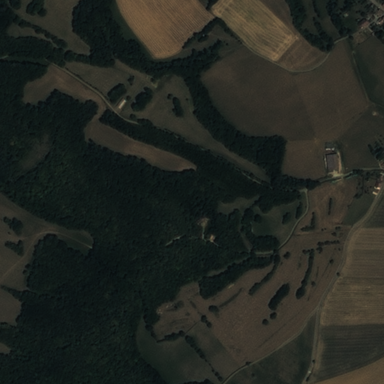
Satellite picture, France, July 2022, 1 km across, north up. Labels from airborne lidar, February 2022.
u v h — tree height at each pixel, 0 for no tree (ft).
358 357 0
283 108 0
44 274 59
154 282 54
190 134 0
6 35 30
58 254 62
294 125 0
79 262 63
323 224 0
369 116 0
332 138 0
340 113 0
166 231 49
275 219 0
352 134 0
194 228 41
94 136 0
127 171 79
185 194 40
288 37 0
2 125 51
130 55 66
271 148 31
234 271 59
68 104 70
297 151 0
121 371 31
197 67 66
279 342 0
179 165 0
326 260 0
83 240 0
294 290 0
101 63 67
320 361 0
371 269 0
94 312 41
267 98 0
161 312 0
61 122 54
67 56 57
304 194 0
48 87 0
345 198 0
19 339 60
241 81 0
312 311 0
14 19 30
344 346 0
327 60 0
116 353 45
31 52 57
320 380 0
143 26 0
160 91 0
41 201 49
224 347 0
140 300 32
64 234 0
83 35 23
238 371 0
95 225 58
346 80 0
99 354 53
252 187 26
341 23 69
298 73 0
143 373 58
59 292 29
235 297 0
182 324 0
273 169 45
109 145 0
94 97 0
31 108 61
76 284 44
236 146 62
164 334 0
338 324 0
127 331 54
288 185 33
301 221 0
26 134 45
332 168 0
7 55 25
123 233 53
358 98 0
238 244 18
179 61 43
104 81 0
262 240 54
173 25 0
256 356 0
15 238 0
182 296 0
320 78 0
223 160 41
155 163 0
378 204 0
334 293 0
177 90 0
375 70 0
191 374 0
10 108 55
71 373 51
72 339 52
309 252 32
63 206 47
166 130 22
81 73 0
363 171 31
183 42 0
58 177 40
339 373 0
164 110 0
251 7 0
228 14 0
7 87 56
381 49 0
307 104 0
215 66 0
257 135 0
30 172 33
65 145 54
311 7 0
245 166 0
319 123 0
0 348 0
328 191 0
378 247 0
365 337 0
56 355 42
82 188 59
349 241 0
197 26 0
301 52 0
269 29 0
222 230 26
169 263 39
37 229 0
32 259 0
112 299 61
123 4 0
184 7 0
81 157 61
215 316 0
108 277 65
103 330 45
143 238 62
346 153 0
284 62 0
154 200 54
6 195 52
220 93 0
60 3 0
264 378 0
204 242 39
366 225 0
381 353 0
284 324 0
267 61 0
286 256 37
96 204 53
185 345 0
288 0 58
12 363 60
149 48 0
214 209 50
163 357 0
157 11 0
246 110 0
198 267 49
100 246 60
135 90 0
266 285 0
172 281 47
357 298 0
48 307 58
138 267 60
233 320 0
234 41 0
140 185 69
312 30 0
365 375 0
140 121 38
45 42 30
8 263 0
